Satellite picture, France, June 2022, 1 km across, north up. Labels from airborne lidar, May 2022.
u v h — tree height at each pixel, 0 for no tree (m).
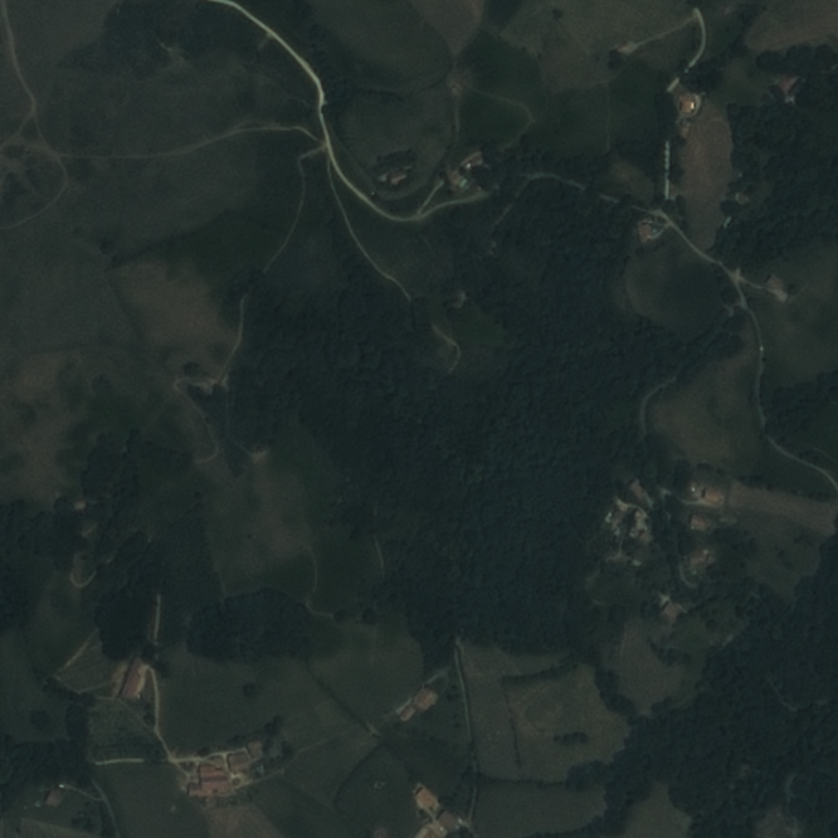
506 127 0
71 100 0
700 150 0
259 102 0
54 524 22
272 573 0
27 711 0
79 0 0
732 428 0
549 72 0
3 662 0
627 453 11
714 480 0
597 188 13
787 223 28
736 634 0
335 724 0
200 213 0
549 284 16
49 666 0
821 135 5
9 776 20
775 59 19
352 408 19
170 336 0
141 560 10
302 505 0
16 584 25
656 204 7
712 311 0
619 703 17
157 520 0
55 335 0
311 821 0
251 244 0
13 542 16
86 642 0
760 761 19
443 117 0
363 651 0
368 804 0
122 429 0
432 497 17
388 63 0
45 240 0
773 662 14
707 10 0
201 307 0
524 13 0
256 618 28
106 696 0
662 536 17
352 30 0
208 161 0
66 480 0
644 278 0
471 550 27
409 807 0
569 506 20
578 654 10
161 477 0
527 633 23
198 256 0
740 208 15
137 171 0
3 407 0
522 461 11
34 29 0
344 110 13
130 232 0
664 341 27
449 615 26
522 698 0
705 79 14
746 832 20
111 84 0
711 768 26
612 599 0
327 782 0
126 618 25
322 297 8
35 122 0
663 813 0
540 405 11
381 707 0
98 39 0
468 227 7
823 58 16
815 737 28
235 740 9
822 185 18
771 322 0
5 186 0
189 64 0
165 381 0
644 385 11
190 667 0
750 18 7
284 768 0
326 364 23
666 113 16
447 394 22
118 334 0
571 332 24
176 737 0
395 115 0
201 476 0
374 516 9
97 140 0
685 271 0
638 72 0
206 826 0
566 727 0
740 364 0
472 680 0
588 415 9
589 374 18
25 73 0
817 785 15
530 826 0
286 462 0
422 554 17
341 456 10
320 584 0
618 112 0
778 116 22
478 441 12
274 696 0
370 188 0
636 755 16
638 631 0
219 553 0
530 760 0
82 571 0
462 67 0
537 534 16
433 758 0
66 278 0
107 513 16
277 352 13
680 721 20
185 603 6
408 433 21
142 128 0
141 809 0
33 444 0
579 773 19
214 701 0
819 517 0
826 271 0
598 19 0
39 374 0
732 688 19
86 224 0
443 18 0
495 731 0
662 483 17
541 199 13
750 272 15
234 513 0
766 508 0
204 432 0
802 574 0
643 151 6
